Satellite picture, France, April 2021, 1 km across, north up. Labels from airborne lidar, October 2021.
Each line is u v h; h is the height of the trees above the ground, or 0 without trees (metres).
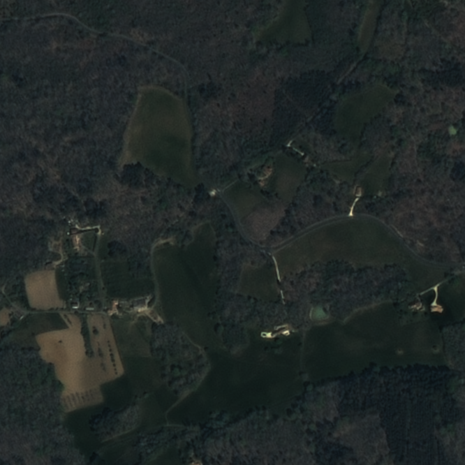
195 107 13
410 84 15
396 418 21
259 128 6
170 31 10
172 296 0
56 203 21
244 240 10
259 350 0
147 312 0
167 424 0
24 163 21
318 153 14
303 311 24
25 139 18
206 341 0
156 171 0
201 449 10
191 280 0
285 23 0
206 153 18
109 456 0
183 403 0
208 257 0
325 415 10
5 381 24
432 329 0
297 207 15
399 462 10
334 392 18
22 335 0
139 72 13
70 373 0
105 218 22
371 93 0
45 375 25
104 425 23
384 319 0
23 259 10
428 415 10
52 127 9
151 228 9
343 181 7
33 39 15
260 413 20
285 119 8
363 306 17
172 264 0
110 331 0
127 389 0
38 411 17
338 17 11
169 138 0
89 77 12
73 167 9
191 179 0
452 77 19
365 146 11
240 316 18
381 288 12
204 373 21
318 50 14
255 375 0
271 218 0
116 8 12
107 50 8
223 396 0
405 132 11
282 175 0
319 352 0
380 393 14
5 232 11
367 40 0
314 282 17
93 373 0
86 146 19
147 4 10
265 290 0
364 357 0
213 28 7
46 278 0
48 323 0
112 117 14
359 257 0
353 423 14
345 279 20
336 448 13
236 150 24
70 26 11
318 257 0
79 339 0
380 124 15
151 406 0
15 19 13
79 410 0
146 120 0
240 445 15
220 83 7
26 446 21
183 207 16
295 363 0
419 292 0
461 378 21
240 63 14
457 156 13
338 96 15
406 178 9
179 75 14
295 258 0
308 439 8
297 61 13
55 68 11
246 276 0
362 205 9
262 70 9
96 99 12
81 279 8
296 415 15
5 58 19
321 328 0
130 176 21
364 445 6
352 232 0
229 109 23
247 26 10
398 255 0
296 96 10
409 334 0
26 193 18
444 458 12
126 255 22
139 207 15
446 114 18
